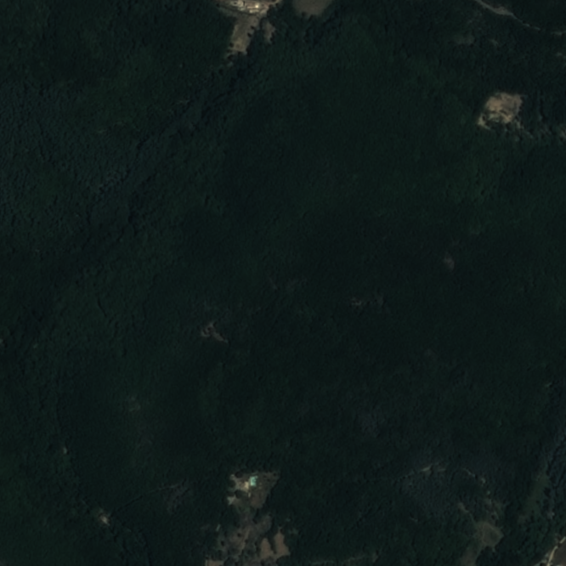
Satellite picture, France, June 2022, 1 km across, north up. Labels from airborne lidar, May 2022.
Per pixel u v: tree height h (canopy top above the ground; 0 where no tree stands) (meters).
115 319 13
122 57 14
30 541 14
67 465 10
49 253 20
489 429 13
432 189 20
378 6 10
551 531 12
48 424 12
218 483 13
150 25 20
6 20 15
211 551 12
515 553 15
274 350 17
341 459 17
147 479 13
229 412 19
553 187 15
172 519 11
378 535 18
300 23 20
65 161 24
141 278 14
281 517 17
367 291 18
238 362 18
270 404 17
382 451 20
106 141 32
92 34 20
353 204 14
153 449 7
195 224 16
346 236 17
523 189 24
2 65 16
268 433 18
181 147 23
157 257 16
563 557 0
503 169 21
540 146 15
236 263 15
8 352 19
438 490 17
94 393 16
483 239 15
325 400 14
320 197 9
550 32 13
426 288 13
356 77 17
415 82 21
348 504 20
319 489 13
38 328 23
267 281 10
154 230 15
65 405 19
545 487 0
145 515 17
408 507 20
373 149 19
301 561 11
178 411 17
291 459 15
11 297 21
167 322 10
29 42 18
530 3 7
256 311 6
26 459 21
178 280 17
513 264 16
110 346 14
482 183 17
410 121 21
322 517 12
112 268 18
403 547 16
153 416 6
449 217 21
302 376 17
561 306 10
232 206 17
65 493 12
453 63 20
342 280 19
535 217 12
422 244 10
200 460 15
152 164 41
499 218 15
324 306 21
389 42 23
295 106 20
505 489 15
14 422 26
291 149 18
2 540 12
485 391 11
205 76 20
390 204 15
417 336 18
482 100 24
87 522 12
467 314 16
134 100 23
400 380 17
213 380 16
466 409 15
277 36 16
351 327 20
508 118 0
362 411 12
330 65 14
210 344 14
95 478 14
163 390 13
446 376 10
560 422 18
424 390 18
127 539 15
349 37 13
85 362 15
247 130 18
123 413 7
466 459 19
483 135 20
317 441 17
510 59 15
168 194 19
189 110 35
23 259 26
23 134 34
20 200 18
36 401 12
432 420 14
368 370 17
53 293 25
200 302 9
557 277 16
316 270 14
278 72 18
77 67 27
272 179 20
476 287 17
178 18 23
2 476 18
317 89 17
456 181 20
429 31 16
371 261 18
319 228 16
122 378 10
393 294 17
